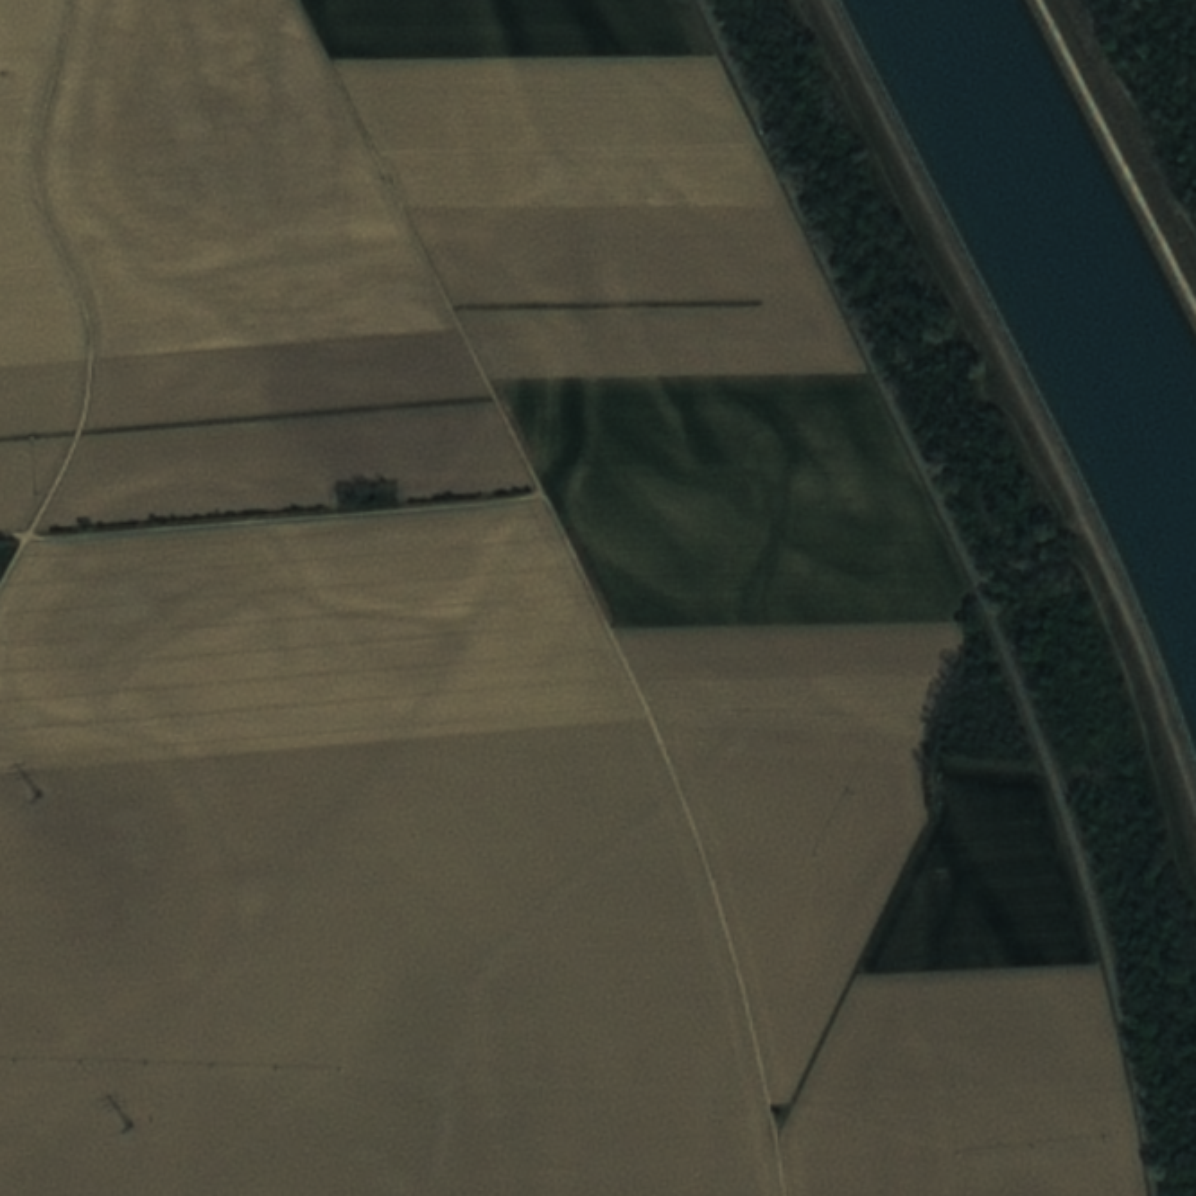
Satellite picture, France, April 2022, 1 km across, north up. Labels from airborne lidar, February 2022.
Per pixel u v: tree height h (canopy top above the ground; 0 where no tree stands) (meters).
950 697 23
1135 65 20
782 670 0
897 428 0
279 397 0
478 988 0
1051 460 0
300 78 0
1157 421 0
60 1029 0
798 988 0
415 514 0
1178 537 0
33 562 0
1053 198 0
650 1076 0
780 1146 0
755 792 0
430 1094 0
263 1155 0
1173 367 0
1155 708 0
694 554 0
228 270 0
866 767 0
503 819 0
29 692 0
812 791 0
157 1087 0
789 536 0
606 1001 0
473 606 0
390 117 0
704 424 0
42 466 0
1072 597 7
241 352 0
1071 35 0
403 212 0
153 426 0
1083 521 0
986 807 0
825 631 0
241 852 0
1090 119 0
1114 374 0
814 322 0
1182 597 0
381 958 0
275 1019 0
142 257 0
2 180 0
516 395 0
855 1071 0
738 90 0
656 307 0
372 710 0
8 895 0
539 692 0
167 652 0
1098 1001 0
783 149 19
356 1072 0
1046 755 0
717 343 0
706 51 0
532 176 0
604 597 0
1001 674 15
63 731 0
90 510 0
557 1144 0
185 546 0
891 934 0
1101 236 0
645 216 0
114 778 0
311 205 0
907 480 0
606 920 0
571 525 0
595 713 0
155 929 0
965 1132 0
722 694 0
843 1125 0
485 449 0
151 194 0
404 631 0
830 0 0
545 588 0
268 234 0
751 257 0
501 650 0
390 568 0
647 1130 0
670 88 0
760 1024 0
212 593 0
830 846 0
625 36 0
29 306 0
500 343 0
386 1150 0
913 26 0
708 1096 0
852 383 0
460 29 0
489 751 0
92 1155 0
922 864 0
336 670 0
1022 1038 0
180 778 0
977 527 12
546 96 0
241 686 0
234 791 0
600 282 0
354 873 0
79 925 0
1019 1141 0
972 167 0
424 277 0
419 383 0
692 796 0
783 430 0
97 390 0
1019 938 0
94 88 0
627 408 0
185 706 0
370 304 0
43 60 0
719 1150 0
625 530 0
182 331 0
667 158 0
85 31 0
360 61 0
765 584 0
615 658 0
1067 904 0
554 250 0
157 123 0
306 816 0
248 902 0
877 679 0
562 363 0
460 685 0
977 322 0
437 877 0
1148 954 16
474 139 0
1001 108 0
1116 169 0
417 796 0
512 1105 0
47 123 0
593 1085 0
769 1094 0
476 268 0
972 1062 0
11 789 0
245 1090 0
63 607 0
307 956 0
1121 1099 0
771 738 0
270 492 0
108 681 0
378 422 0
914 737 0
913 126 0
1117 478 0
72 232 0
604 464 0
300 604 0
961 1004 0
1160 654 0
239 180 0
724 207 0
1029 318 0
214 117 0
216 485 0
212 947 0
